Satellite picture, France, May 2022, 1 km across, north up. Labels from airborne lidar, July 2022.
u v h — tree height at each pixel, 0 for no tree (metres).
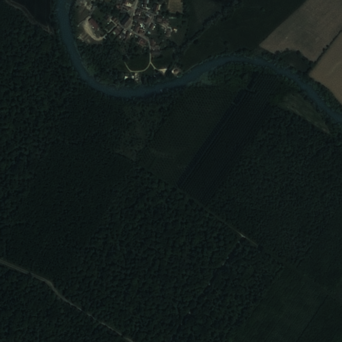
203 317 27
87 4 0
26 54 24
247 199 19
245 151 20
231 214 21
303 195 19
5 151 17
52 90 18
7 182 15
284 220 17
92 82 0
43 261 16
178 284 23
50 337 22
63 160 16
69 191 18
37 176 18
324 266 16
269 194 13
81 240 19
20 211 16
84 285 23
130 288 22
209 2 0
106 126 17
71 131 17
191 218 19
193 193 25
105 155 18
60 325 20
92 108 19
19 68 27
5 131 24
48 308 16
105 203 17
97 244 27
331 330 9
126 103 17
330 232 18
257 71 10
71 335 15
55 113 14
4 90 14
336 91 0
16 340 19
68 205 16
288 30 0
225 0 0
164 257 21
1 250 16
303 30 0
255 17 0
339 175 17
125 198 20
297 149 14
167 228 29
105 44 11
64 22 0
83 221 17
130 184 22
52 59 14
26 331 10
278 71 0
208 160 27
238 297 18
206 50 0
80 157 17
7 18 18
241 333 20
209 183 25
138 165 16
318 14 0
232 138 24
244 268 19
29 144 23
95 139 17
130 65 0
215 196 20
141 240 15
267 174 20
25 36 25
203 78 0
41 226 16
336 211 18
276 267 21
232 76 12
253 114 25
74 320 24
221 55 7
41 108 28
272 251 10
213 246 23
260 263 25
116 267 22
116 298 23
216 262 23
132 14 0
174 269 22
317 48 0
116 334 12
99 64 14
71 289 21
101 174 17
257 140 21
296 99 0
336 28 0
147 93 0
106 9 18
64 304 13
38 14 0
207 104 11
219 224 22
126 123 18
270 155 22
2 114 14
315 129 19
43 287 19
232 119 23
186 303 22
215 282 29
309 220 15
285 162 19
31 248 17
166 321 17
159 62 0
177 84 0
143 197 26
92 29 0
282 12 0
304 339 9
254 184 22
